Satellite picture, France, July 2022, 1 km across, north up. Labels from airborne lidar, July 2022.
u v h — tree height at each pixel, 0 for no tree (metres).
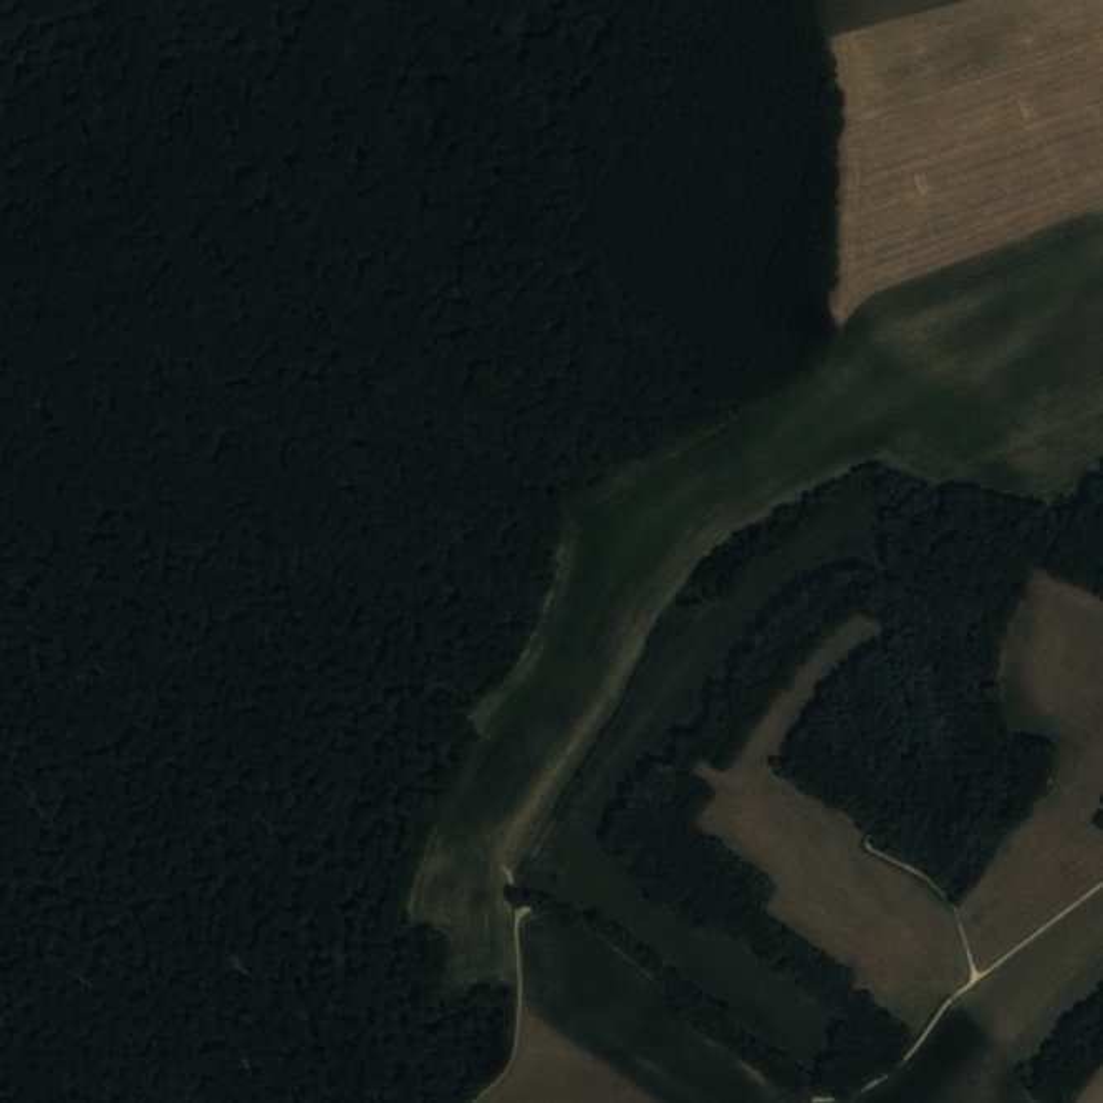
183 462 29
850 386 0
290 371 30
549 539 25
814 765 19
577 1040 0
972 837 20
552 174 26
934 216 0
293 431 29
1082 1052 22
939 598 22
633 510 0
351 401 27
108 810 27
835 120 21
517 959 0
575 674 0
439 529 27
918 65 0
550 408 26
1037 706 0
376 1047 29
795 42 17
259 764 29
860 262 0
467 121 28
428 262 27
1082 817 0
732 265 16
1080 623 0
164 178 31
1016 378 0
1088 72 0
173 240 26
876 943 0
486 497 24
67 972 25
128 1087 26
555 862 0
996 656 23
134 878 26
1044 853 0
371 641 29
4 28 27
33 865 29
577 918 17
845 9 0
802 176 16
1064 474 0
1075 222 0
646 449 19
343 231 33
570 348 27
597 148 23
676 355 24
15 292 32
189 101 32
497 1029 19
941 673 23
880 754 22
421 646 26
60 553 30
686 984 15
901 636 19
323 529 28
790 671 20
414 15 27
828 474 0
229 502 27
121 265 30
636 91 25
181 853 28
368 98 31
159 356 25
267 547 25
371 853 30
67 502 29
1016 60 0
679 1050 0
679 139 15
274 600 24
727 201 14
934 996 0
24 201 26
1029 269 0
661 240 15
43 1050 27
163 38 25
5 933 31
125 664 31
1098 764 0
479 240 17
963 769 23
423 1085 28
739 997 0
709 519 0
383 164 31
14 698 26
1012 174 0
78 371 29
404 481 25
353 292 29
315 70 31
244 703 28
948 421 0
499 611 27
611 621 0
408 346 26
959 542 30
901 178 0
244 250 26
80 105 32
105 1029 27
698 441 0
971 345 0
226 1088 28
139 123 32
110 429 28
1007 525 25
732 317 17
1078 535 25
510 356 23
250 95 23
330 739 27
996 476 0
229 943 23
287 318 32
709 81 17
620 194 15
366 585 30
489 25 23
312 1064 30
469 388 25
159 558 27
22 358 31
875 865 0
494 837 0
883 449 0
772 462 0
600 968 0
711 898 21
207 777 28
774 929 23
